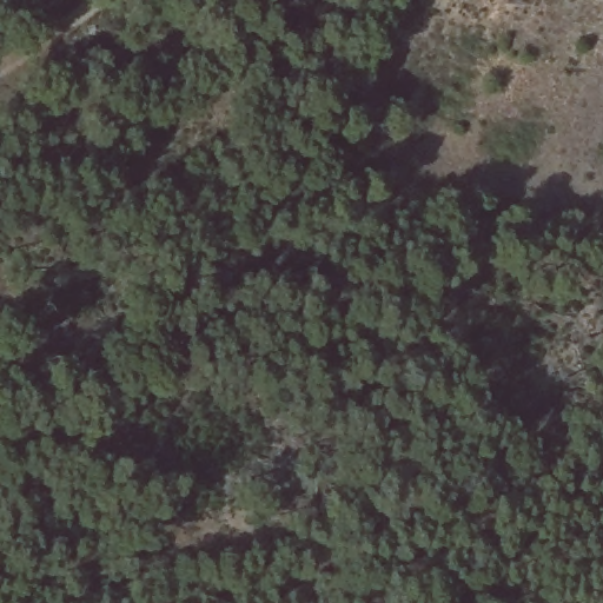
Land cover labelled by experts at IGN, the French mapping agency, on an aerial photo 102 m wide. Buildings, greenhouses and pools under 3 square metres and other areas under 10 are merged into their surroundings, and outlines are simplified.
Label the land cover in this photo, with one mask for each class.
<instances>
[{"label":"coniferous trees","instance_id":"1","mask_svg":"<svg viewBox=\"0 0 603 603\"><path fill-rule=\"evenodd\" d=\"M90 2H94L99 12H113V28L108 33H97L78 42H52L54 26L59 31H66L73 24V19H78L87 9ZM407 7L405 0H0V64L7 54L26 57V66L16 68L9 75H0V603H603V228L596 226L591 210H565L563 214L544 212L539 203L523 200L509 181H485L478 186L455 184V188H440L436 198L422 200L417 198V188L412 184L400 179L386 160L377 158L379 139L391 137L393 141H405L412 134L415 122V115L396 106H382L377 94L370 92L372 82L377 80V64L391 57V45L384 42V31L396 21V14L400 9Z\"/></svg>","mask_w":603,"mask_h":603},{"label":"herbaceous vegetation","instance_id":"2","mask_svg":"<svg viewBox=\"0 0 603 603\"><path fill-rule=\"evenodd\" d=\"M407 7L400 9L396 14V21L384 31V42L391 45V57L377 64V80L372 82L370 92L377 94L382 106H396L415 115V122L412 134L405 141H393L391 137L379 139L377 158L386 160L400 179L412 184L417 188V198L422 200L436 198L440 188H455V184L478 186L485 181H509L523 200L539 203L544 212L563 214L565 210H591L596 226L603 228V0H405ZM433 9L443 16V35H462V26H483L485 40H492L495 31H516L513 45L516 49L525 47V54L530 59L518 61L509 54L478 59L476 78L471 80L476 104L471 106L469 120H459V130L464 134L452 132L445 141L443 137L431 132V115H436L438 99L443 92H438L429 80H422L405 68L410 38L424 31L426 21L433 16ZM535 106L544 111V122L554 125L556 132L544 137V141L537 146V153L523 167L506 160L492 163L485 155V151L478 148L481 120L521 118L525 108Z\"/></svg>","mask_w":603,"mask_h":603},{"label":"brushwood","instance_id":"3","mask_svg":"<svg viewBox=\"0 0 603 603\"><path fill-rule=\"evenodd\" d=\"M516 31H495L492 40H485L483 26H462V35H443V16L433 9V16L426 21L424 31L410 38L405 68L422 80H429L438 92H443L438 99L436 115H431V132L443 137L445 141L452 132L464 134L459 130V120H469L471 106L476 104L471 80L476 78L478 59L509 54L518 61L530 59L525 54V47L516 49L513 45ZM556 132L554 125L544 122V111L535 106L525 108L521 118L481 120L478 148L485 151V155L492 163L506 160L523 167L537 153V146L544 141V137Z\"/></svg>","mask_w":603,"mask_h":603},{"label":"pervious surface","instance_id":"4","mask_svg":"<svg viewBox=\"0 0 603 603\"><path fill-rule=\"evenodd\" d=\"M113 28V12H99L94 2H90L87 9L78 19H73V24L66 31H59L54 26L52 42H78L97 33H108ZM26 66V57L7 54L0 64V75H9L16 68Z\"/></svg>","mask_w":603,"mask_h":603}]
</instances>
